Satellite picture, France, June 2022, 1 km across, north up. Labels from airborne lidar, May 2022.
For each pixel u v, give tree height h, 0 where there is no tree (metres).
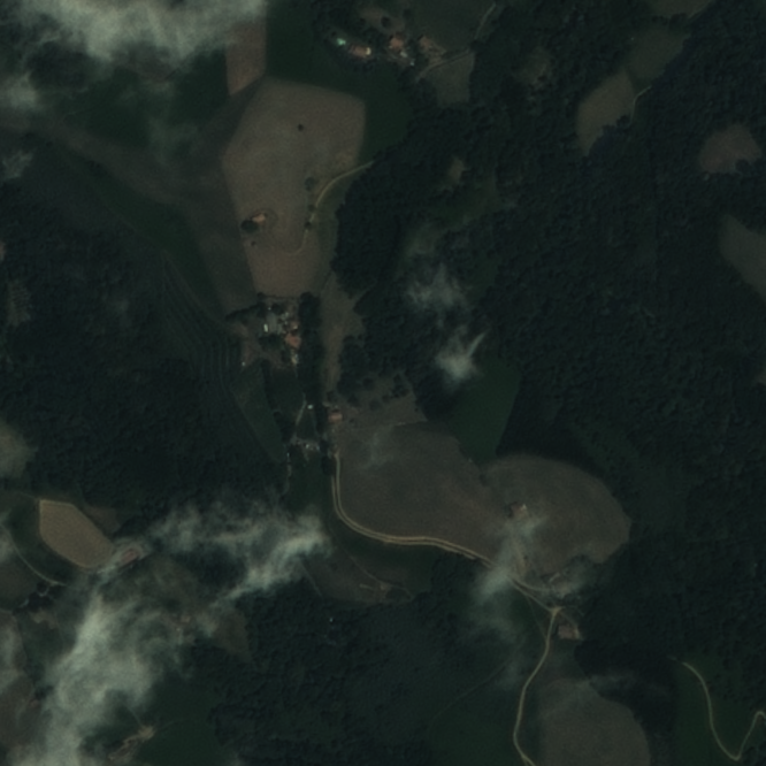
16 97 0
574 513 0
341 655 19
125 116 0
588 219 19
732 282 15
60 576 6
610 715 0
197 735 0
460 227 0
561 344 19
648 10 15
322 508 0
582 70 26
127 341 11
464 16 0
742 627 9
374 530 0
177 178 0
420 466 0
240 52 0
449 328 19
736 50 20
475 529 0
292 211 0
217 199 0
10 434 0
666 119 12
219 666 18
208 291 0
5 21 16
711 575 16
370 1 19
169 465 15
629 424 20
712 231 12
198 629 0
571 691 0
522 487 0
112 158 0
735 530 12
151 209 0
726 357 6
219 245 0
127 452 17
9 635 0
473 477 0
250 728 16
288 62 0
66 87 9
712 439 12
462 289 18
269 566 9
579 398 19
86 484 17
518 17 17
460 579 16
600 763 0
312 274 0
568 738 0
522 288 18
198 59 0
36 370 6
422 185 27
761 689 13
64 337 14
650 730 12
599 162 17
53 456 20
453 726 0
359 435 0
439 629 9
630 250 13
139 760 0
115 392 15
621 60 11
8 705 0
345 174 0
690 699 0
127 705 0
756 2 16
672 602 32
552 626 0
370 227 25
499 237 19
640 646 18
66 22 0
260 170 0
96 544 0
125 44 0
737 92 11
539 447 17
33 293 16
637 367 18
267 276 0
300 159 0
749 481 19
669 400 26
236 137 0
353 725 12
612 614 19
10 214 17
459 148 26
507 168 19
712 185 19
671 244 18
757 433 25
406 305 21
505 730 0
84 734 0
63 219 14
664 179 19
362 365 18
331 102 0
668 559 21
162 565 0
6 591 0
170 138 0
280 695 11
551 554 0
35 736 0
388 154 10
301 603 15
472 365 17
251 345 0
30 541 0
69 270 23
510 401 0
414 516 0
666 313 16
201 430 12
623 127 12
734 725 0
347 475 0
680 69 27
